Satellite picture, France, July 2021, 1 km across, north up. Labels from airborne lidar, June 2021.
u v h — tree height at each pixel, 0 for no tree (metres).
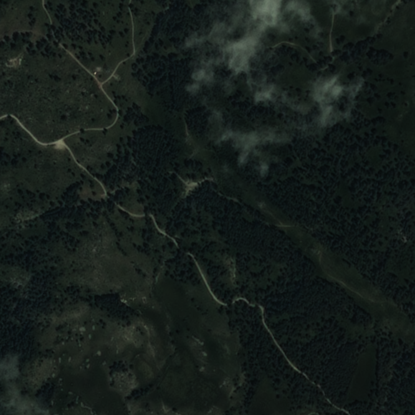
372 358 0
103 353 0
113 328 0
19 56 0
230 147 8
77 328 0
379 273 31
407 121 0
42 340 0
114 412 0
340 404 12
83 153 0
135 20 0
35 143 0
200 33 31
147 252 21
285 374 15
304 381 19
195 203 25
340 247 39
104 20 0
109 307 22
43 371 0
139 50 0
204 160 0
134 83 0
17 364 15
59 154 0
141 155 25
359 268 28
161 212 17
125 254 10
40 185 0
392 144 23
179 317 0
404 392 22
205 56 30
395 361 7
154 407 0
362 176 6
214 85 30
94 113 0
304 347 13
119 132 0
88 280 0
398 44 0
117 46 0
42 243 10
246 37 0
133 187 0
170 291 0
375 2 0
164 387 0
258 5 0
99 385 0
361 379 0
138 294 0
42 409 19
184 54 23
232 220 34
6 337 27
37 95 0
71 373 0
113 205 24
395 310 0
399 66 0
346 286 0
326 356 17
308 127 25
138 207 0
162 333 0
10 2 0
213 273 12
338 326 24
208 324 0
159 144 34
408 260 8
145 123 24
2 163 17
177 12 27
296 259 31
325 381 16
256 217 29
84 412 0
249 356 10
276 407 0
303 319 23
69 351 0
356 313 27
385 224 0
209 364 0
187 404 0
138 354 0
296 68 0
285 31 0
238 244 26
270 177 28
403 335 0
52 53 22
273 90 0
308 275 29
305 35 0
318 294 31
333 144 26
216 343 0
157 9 0
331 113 31
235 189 6
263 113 26
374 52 26
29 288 9
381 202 23
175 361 0
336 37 0
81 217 22
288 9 0
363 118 22
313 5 0
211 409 0
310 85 0
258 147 18
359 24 0
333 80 0
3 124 21
